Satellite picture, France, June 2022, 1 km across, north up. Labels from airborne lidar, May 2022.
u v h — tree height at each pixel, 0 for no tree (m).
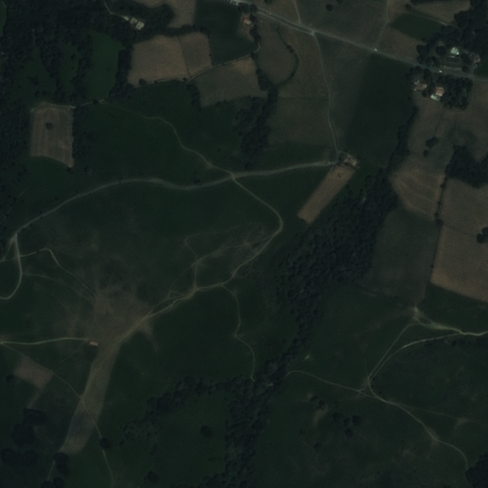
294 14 0
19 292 0
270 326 0
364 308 0
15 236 0
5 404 0
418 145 0
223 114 0
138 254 0
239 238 0
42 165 0
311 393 0
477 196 0
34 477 0
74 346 0
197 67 0
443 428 0
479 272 0
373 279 0
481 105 0
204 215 0
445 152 0
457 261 0
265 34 0
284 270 11
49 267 0
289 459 0
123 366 0
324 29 0
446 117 0
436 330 0
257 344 0
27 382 0
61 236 0
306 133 0
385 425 0
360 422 23
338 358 0
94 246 0
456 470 0
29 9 18
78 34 16
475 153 0
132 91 9
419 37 0
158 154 0
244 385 14
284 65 0
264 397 11
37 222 0
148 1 0
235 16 0
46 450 0
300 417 0
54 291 0
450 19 0
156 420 11
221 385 8
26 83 0
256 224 0
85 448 0
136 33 14
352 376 0
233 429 13
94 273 0
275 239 0
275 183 0
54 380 0
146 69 0
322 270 14
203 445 0
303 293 19
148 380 0
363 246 14
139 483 0
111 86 0
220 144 0
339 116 0
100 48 0
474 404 0
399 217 0
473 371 0
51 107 0
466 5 0
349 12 0
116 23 12
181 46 0
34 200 0
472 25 19
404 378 0
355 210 15
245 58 0
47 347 0
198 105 10
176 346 0
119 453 0
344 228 18
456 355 0
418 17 0
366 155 0
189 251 0
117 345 0
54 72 12
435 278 0
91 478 0
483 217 0
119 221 0
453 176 11
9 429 0
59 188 0
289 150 0
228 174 0
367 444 0
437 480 0
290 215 0
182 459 0
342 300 0
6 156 14
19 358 0
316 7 0
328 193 0
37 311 0
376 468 0
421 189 0
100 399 0
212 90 0
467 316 0
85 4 21
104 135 0
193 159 0
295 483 0
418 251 0
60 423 0
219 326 0
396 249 0
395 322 0
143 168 0
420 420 0
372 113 0
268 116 13
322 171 0
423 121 0
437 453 0
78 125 14
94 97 0
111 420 0
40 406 0
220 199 0
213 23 0
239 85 0
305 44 0
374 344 0
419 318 0
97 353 0
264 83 17
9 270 0
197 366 0
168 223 0
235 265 0
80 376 0
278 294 9
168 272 0
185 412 0
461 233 0
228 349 0
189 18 0
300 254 13
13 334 0
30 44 15
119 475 0
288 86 0
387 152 0
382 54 0
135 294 0
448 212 0
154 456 8
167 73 0
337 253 16
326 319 0
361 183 0
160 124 0
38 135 0
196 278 0
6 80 21
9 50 19
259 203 0
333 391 0
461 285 0
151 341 0
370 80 0
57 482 19
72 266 0
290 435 0
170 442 0
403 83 0
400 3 0
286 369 16
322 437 0
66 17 18
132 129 0
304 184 0
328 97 0
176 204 0
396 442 0
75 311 0
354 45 0
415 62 0
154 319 0
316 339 0
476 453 0
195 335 0
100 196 0
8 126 11
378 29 0
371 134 0
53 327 0
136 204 0
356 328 0
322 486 0
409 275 0
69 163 0
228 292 0
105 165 0
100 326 0
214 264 0
